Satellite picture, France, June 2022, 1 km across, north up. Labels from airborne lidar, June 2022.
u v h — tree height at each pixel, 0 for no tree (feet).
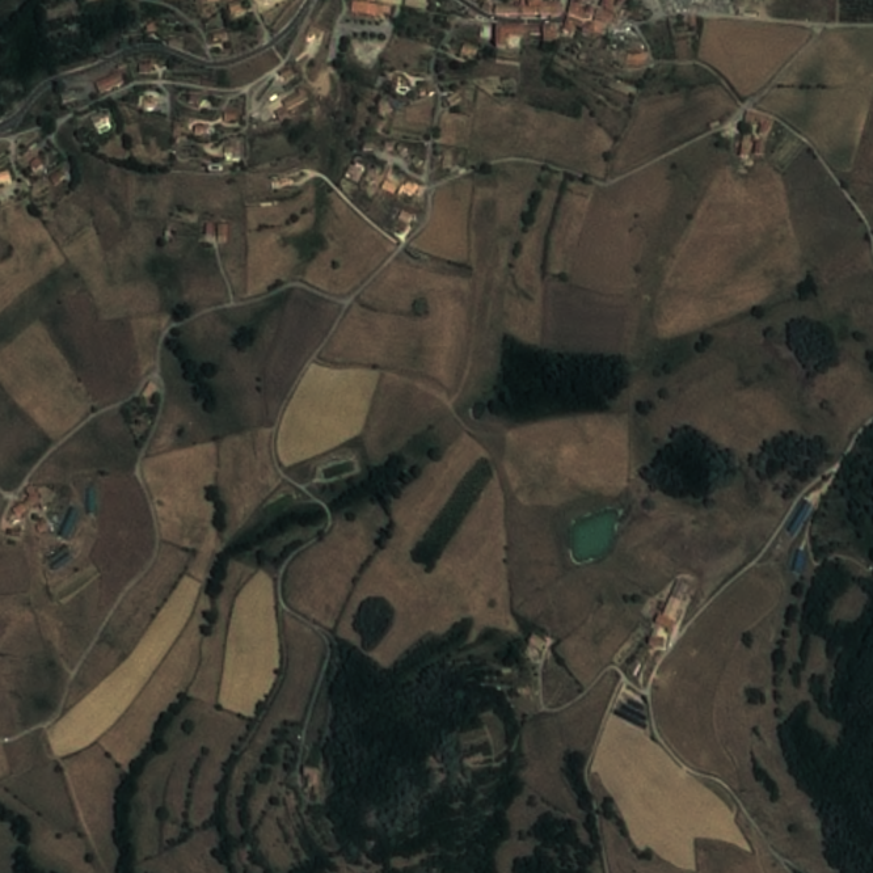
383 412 0
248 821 29
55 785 0
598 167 0
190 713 0
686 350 0
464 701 47
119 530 0
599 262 0
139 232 0
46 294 0
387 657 0
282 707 0
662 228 0
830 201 0
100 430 0
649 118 0
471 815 20
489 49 39
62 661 0
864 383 0
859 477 27
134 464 0
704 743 0
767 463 22
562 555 0
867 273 0
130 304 0
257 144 0
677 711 0
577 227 0
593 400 35
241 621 0
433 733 39
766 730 0
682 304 0
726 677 0
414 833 22
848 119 0
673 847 0
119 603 0
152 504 0
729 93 0
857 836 33
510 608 0
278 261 0
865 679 60
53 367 0
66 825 0
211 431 0
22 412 0
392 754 28
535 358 19
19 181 22
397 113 0
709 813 0
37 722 0
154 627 0
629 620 0
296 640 0
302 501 0
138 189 0
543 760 0
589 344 0
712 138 0
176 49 0
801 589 49
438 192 0
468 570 0
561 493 0
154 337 0
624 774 0
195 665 0
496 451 0
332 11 0
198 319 0
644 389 0
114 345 0
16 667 0
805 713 22
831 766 33
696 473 41
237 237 0
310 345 0
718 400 0
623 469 0
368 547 0
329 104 0
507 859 0
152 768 0
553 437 0
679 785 0
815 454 36
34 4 45
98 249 0
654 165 0
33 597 0
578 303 0
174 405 0
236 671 0
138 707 0
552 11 0
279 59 0
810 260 0
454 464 0
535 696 0
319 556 0
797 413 0
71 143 0
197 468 0
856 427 0
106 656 0
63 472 0
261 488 0
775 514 0
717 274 0
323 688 0
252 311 0
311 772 0
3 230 0
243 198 0
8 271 0
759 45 0
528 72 0
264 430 0
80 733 0
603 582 0
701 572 0
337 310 0
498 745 0
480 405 0
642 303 0
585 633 0
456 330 0
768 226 0
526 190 0
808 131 0
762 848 0
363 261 0
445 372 0
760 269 0
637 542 0
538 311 0
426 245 0
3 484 0
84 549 0
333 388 0
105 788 0
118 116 25
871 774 57
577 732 0
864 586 42
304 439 0
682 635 0
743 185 0
